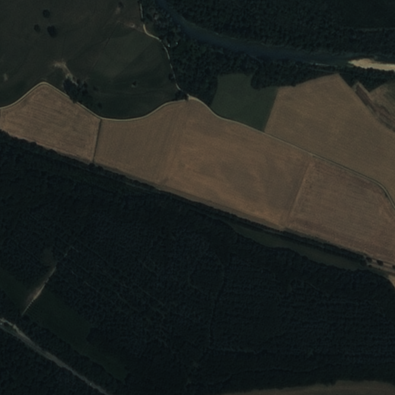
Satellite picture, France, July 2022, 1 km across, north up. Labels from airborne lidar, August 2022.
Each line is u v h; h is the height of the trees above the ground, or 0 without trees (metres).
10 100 0
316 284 17
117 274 19
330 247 10
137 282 21
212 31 8
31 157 31
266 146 0
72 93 32
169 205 23
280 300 14
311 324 21
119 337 19
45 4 0
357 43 21
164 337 23
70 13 0
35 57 0
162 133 0
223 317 20
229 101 0
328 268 17
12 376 27
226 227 23
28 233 14
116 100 0
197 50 7
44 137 0
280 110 0
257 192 0
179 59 8
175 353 7
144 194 15
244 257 15
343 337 19
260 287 18
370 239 0
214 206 0
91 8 0
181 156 0
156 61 0
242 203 0
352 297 17
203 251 19
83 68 0
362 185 0
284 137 0
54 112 0
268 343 19
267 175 0
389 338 8
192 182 0
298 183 0
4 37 0
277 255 28
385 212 0
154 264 15
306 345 14
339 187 0
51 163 22
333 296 18
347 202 0
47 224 12
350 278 27
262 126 0
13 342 20
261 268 17
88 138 0
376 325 18
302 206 0
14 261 17
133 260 22
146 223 17
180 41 9
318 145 0
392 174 0
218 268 10
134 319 20
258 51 0
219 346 15
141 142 0
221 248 25
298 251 0
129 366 21
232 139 0
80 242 8
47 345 22
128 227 15
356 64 0
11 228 20
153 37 0
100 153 0
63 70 0
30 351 25
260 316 17
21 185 26
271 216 0
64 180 22
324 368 18
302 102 0
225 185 0
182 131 0
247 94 0
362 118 0
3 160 13
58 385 26
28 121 0
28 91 0
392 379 17
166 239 22
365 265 11
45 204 19
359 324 21
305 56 0
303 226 0
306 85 0
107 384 23
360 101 0
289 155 0
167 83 0
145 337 20
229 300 22
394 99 0
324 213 0
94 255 19
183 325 17
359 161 0
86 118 0
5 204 23
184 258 18
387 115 0
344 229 0
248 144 0
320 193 0
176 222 22
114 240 20
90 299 17
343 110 0
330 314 12
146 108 0
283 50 0
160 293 17
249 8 15
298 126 0
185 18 29
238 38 6
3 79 0
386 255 0
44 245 13
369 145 0
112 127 0
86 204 28
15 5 0
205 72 6
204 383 17
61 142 0
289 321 16
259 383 24
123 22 0
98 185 13
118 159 0
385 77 12
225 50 7
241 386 23
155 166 0
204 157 0
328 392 0
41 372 26
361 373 24
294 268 23
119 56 0
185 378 18
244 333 17
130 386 20
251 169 0
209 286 21
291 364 16
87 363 22
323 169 0
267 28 18
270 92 0
